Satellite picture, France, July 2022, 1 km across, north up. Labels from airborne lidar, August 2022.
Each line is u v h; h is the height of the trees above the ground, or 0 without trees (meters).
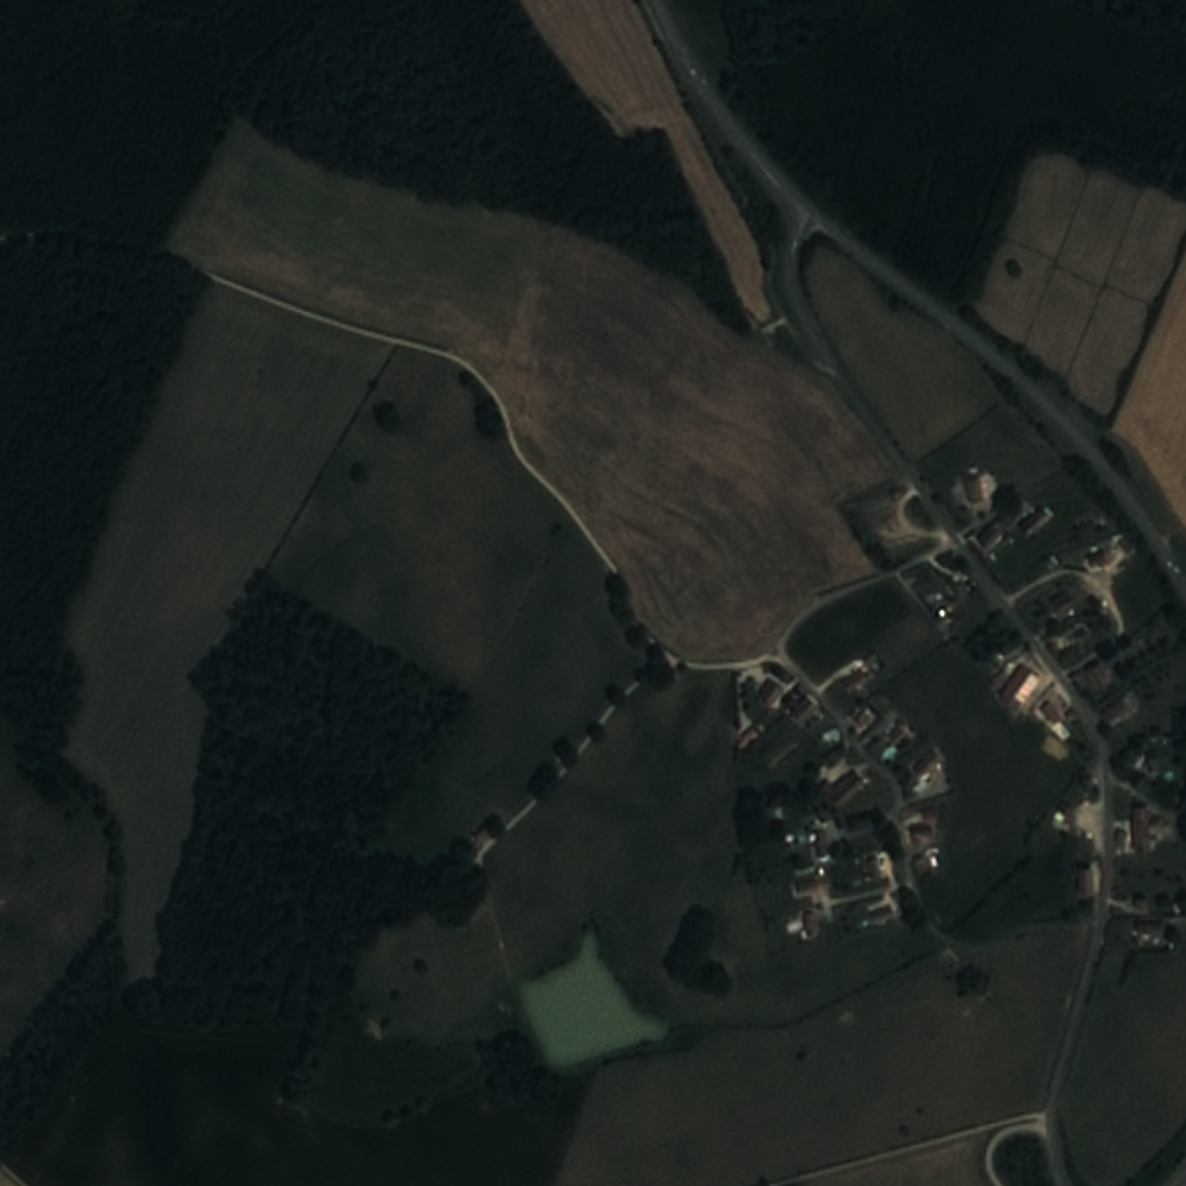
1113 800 0
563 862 0
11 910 0
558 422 0
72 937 0
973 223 7
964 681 0
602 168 10
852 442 0
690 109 12
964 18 7
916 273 9
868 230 10
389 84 21
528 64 13
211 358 0
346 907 22
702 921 19
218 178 0
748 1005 0
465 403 0
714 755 0
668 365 0
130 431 19
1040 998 0
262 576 13
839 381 0
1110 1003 0
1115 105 8
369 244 0
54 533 19
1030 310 0
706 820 0
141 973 0
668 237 27
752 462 0
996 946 0
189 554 0
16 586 23
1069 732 0
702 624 0
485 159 22
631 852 0
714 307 16
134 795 0
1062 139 20
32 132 17
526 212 10
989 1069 0
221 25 7
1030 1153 10
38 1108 17
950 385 0
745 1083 0
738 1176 0
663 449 0
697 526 0
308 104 19
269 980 19
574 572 0
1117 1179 0
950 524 0
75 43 14
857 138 6
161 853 0
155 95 9
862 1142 0
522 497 0
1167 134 10
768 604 0
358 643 26
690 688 0
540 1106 17
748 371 0
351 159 20
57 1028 24
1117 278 0
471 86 17
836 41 7
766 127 9
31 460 19
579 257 0
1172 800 7
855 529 7
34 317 22
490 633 0
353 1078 0
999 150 6
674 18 0
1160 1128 0
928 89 7
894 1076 0
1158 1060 0
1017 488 9
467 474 0
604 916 0
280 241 0
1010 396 13
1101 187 0
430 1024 0
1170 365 0
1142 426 0
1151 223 0
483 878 19
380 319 0
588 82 0
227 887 18
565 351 0
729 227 0
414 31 20
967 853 0
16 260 19
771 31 26
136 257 22
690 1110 0
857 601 0
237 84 11
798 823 0
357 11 10
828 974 0
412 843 0
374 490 0
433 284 0
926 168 7
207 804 22
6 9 14
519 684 0
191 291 16
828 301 0
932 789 0
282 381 0
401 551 0
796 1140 0
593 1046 0
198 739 0
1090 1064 0
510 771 0
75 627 0
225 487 0
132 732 0
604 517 0
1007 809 0
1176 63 8
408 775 29
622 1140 0
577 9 0
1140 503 0
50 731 23
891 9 6
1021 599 0
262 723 32
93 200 18
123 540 0
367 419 0
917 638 0
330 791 30
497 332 0
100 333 24
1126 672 18
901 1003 0
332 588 0
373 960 0
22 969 0
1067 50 7
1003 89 7
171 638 0
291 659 31
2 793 0
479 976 0
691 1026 0
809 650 0
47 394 19
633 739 0
